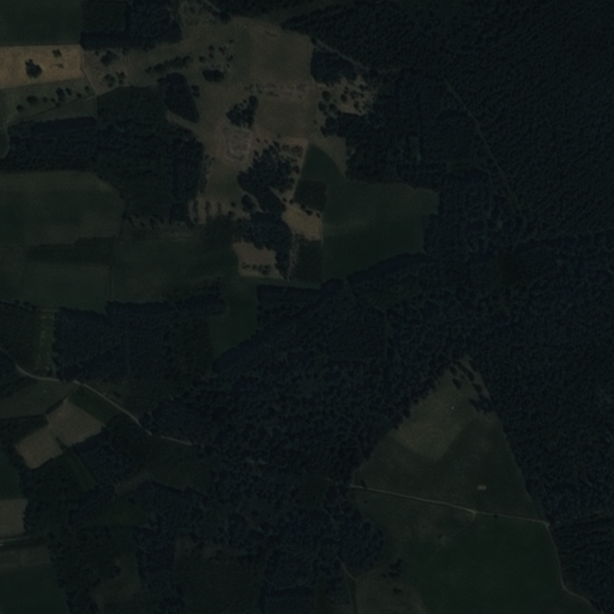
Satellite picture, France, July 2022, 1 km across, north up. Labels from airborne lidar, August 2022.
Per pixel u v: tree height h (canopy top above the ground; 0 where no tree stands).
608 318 20
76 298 0
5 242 0
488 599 0
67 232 0
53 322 0
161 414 23
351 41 12
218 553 8
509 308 6
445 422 0
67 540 9
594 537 8
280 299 18
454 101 6
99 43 22
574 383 10
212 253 0
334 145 0
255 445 18
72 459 0
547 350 20
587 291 26
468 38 9
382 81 8
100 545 7
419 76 23
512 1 8
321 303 26
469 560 0
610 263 14
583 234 11
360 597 0
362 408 9
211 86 0
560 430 10
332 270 0
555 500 29
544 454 10
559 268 17
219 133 0
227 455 13
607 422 7
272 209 21
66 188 0
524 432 19
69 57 0
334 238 0
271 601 28
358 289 18
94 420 0
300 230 0
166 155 18
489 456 0
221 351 0
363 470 0
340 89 0
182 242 0
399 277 30
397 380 18
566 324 16
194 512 6
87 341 29
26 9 0
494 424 0
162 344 15
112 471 27
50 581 0
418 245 0
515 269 13
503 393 23
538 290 21
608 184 16
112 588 0
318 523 29
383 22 13
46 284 0
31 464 0
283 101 0
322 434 24
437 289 17
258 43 0
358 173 12
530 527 0
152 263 0
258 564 17
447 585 0
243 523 25
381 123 9
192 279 0
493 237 24
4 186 0
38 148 23
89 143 29
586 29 13
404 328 22
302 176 0
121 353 27
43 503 16
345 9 7
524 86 17
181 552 0
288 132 0
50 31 0
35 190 0
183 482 0
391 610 0
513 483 0
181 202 16
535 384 21
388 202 0
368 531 26
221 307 27
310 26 16
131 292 0
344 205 0
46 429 0
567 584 0
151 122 6
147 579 25
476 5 9
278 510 13
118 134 19
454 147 22
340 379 13
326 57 12
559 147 11
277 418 10
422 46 12
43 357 0
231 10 6
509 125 13
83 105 0
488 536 0
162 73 8
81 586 8
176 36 23
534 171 14
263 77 0
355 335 26
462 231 30
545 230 13
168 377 16
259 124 0
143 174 7
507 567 0
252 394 25
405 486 0
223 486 18
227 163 0
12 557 0
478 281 26
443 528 0
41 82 0
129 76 0
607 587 16
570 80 12
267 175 24
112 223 0
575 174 15
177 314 26
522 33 16
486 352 25
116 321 27
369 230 0
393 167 8
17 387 6
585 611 0
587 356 12
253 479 12
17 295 0
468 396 0
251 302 0
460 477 0
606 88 11
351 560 24
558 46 13
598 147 17
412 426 0
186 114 27
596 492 15
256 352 31
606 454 7
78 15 0
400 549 0
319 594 0
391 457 0
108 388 0
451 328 21
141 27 28
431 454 0
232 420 17
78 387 0
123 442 7
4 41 0
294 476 28
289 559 27
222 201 0
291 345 30
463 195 24
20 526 0
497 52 16
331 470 13
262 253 0
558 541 6
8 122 0
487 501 0
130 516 0
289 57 0
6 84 0
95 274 0
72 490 8
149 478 0
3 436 8
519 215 8
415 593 0
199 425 23
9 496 0
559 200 9
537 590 0
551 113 15
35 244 0
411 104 18
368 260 0
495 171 15
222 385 8
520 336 26
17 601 0
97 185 0
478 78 16
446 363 18
